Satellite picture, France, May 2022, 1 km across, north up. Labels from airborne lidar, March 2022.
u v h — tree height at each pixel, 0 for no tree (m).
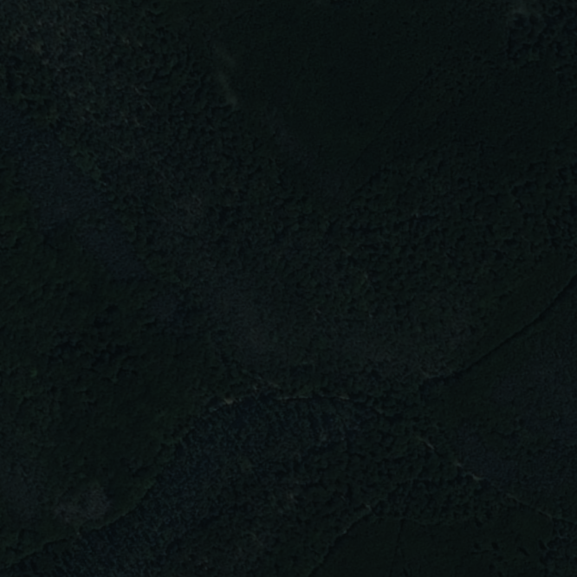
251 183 31
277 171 23
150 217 31
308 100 19
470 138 26
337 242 29
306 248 26
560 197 40
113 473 34
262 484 6
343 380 32
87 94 28
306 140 17
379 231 24
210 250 26
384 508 28
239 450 32
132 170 31
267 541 28
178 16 24
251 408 30
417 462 30
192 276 26
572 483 24
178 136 29
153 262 36
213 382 24
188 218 26
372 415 24
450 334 26
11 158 26
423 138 25
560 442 21
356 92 20
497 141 27
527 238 35
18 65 35
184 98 32
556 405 25
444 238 29
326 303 26
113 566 33
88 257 33
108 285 31
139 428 36
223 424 36
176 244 29
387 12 19
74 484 35
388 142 20
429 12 21
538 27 39
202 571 27
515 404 24
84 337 15
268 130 23
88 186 27
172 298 27
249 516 27
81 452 35
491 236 34
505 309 22
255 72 22
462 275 27
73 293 32
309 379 30
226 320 24
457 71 23
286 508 26
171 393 34
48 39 27
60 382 31
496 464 20
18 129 25
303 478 28
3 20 20
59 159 29
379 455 32
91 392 34
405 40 20
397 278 29
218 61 22
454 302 25
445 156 28
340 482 34
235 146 32
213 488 31
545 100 27
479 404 26
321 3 23
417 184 29
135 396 32
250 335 22
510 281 32
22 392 31
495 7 19
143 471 36
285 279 30
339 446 25
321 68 20
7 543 29
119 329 36
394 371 23
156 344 34
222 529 27
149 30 21
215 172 27
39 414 30
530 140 26
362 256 29
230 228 26
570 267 19
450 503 30
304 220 29
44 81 19
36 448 29
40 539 31
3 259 36
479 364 24
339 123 19
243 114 25
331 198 23
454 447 21
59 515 30
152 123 30
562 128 27
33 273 33
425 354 26
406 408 35
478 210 32
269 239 28
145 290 30
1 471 20
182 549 23
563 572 23
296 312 28
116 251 29
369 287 30
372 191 28
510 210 35
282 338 26
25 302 30
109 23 26
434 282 29
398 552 5
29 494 20
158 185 28
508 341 19
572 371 23
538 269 20
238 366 31
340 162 20
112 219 31
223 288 28
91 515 32
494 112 26
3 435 31
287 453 30
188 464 34
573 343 23
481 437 25
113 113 26
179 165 30
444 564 6
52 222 23
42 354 31
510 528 5
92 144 30
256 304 28
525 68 27
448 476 25
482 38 25
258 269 26
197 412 36
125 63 25
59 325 32
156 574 25
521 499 25
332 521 32
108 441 30
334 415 8
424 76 21
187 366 31
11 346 33
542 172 32
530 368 23
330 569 14
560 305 21
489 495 27
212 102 34
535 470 24
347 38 19
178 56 33
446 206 28
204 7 22
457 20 25
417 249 32
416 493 29
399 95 19
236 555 26
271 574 30
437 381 20
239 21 21
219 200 27
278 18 23
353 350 28
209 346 37
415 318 26
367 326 27
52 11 28
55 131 30
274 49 20
